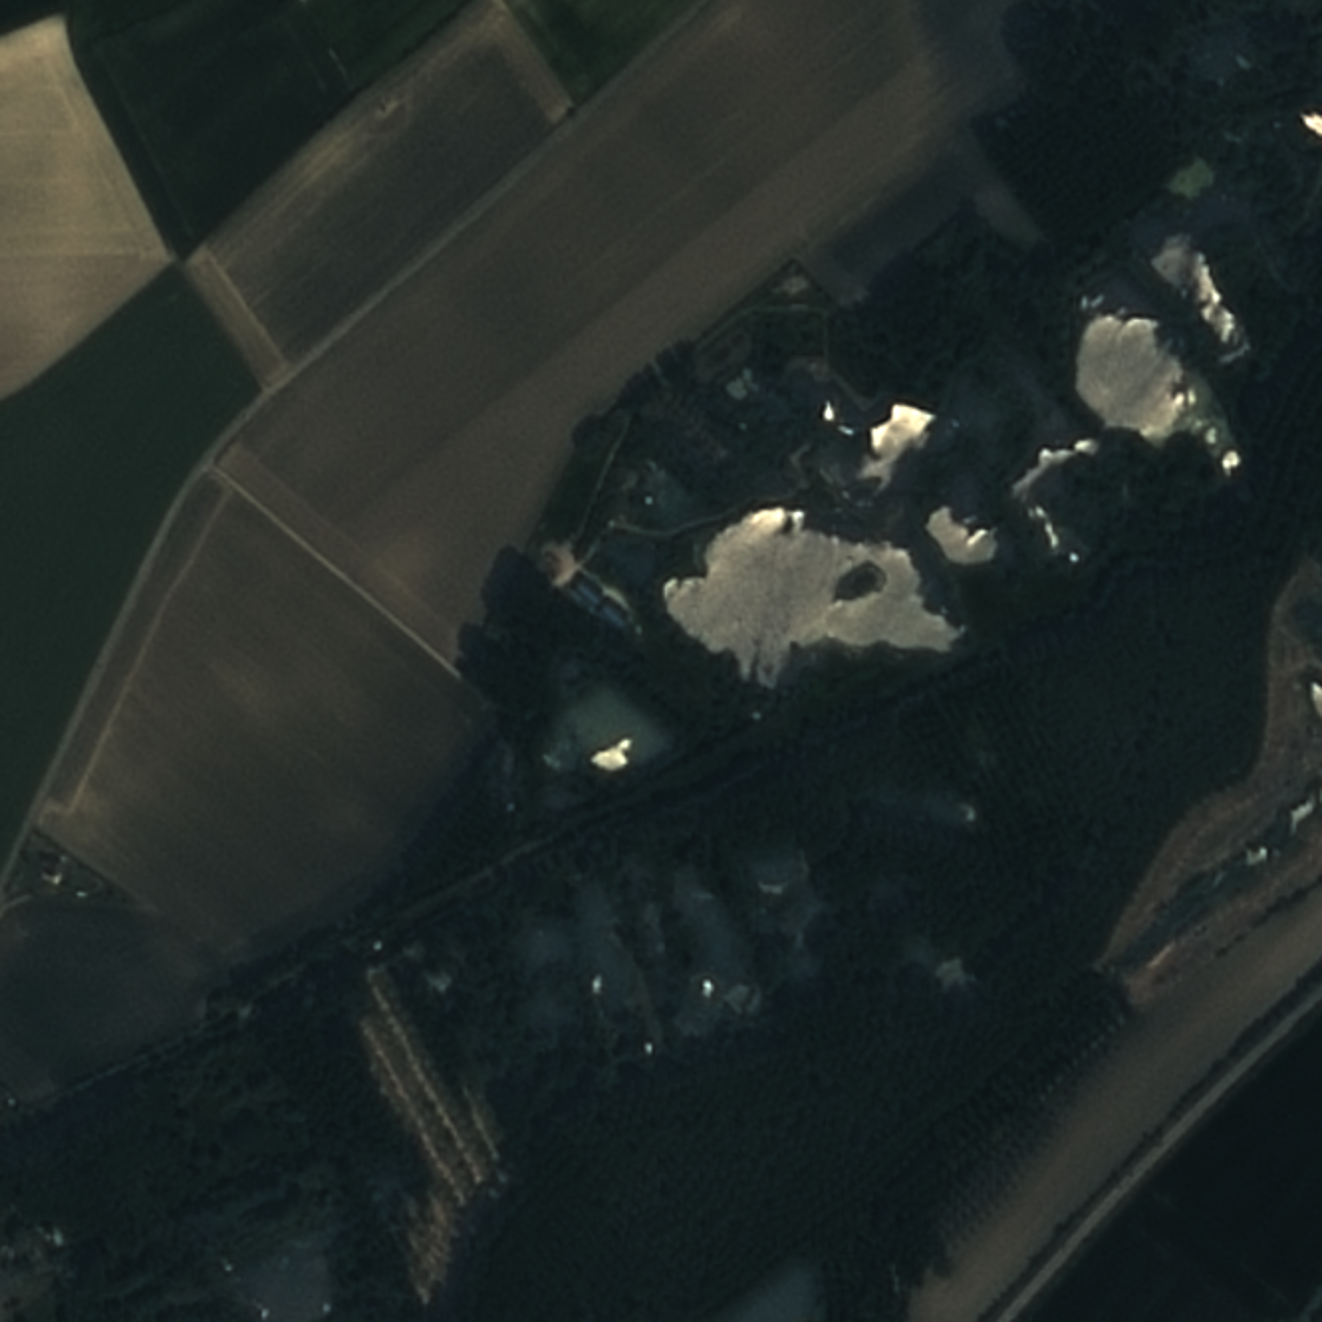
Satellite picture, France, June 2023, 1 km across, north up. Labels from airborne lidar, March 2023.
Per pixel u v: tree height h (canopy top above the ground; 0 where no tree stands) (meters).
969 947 9
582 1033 17
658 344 0
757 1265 27
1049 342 6
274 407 0
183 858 0
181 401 0
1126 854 24
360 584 0
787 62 0
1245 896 25
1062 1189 0
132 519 0
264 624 0
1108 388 0
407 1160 27
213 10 0
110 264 0
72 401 0
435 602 0
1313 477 23
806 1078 27
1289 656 25
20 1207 8
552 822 7
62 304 0
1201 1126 0
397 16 0
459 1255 30
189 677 0
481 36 0
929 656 0
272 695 0
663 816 20
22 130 0
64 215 0
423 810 0
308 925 0
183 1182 10
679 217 0
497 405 0
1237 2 11
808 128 0
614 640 19
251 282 0
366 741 0
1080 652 27
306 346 0
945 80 0
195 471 0
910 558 0
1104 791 22
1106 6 27
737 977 0
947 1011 27
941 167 0
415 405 0
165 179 0
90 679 0
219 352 0
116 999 0
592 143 0
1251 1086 0
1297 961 0
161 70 0
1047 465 0
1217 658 24
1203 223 0
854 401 0
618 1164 23
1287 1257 0
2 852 0
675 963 11
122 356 0
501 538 0
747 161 0
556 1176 16
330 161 0
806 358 0
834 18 0
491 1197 28
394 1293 13
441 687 0
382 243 0
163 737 0
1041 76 37
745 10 0
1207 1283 0
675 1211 25
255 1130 17
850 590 0
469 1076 28
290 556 0
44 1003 0
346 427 0
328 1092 28
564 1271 20
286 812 0
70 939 0
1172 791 25
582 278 0
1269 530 23
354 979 31
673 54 0
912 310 21
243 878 0
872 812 22
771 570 0
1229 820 27
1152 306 0
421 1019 29
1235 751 24
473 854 10
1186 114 8
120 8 0
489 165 0
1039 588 0
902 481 0
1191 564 24
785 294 0
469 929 30
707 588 0
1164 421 0
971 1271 0
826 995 26
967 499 0
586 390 0
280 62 0
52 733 0
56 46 0
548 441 0
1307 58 19
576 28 0
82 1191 29
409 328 0
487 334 0
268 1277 0
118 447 0
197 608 0
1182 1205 0
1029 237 0
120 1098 31
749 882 7
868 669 0
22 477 0
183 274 0
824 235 0
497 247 0
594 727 0
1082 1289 0
